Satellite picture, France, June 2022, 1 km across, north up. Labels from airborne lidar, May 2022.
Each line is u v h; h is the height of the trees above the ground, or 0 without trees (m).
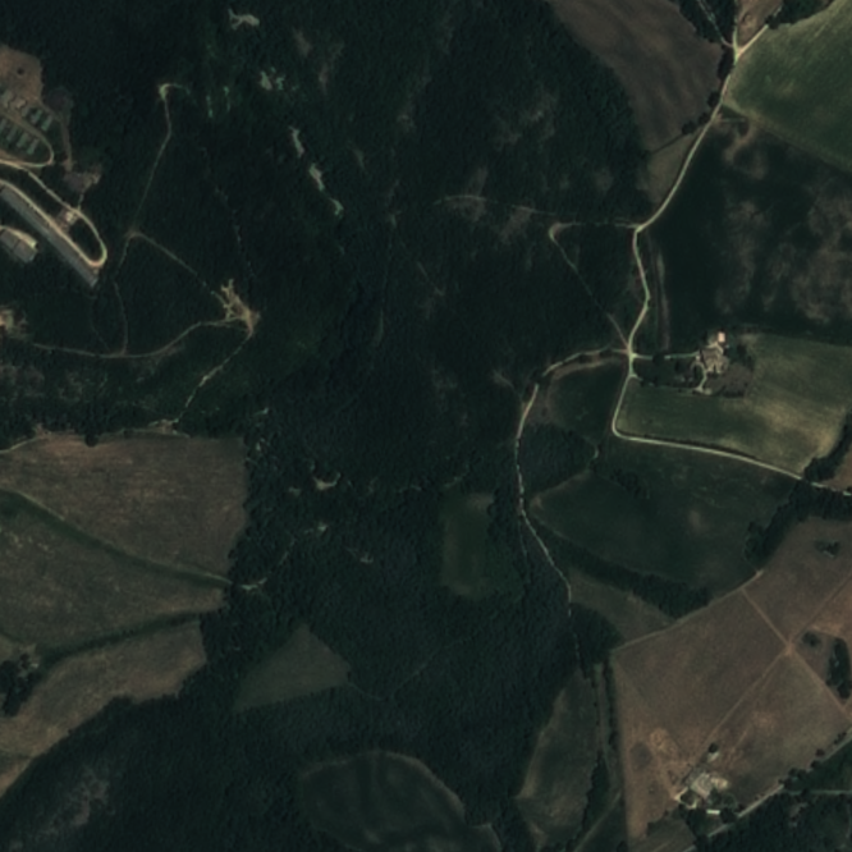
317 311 10
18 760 0
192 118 12
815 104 0
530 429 6
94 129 7
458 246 6
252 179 10
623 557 0
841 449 13
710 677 0
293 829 14
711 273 0
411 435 6
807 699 0
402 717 7
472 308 7
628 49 0
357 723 9
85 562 0
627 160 12
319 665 0
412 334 7
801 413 0
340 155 5
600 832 0
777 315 0
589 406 0
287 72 5
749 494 0
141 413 9
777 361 0
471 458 11
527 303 8
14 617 0
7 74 0
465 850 0
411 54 10
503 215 6
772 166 0
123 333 6
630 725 0
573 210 6
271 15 7
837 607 0
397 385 7
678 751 0
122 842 9
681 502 0
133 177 8
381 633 7
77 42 9
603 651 10
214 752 10
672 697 0
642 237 9
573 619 8
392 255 6
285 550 8
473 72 8
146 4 11
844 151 0
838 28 0
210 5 19
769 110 0
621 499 0
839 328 0
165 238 7
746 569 0
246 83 13
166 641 0
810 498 15
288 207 9
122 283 7
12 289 8
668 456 0
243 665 13
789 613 0
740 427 0
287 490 15
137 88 17
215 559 0
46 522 0
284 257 12
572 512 0
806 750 0
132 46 13
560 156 7
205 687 12
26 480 0
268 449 7
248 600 9
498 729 11
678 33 0
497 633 6
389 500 10
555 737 0
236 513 0
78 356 7
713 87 0
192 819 7
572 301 8
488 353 8
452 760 11
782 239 0
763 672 0
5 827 7
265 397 13
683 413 0
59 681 0
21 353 12
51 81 10
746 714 0
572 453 9
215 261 7
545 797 0
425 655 9
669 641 0
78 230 8
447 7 8
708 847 10
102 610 0
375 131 12
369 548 12
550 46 7
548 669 9
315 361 9
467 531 0
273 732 10
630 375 0
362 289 6
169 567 0
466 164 6
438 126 10
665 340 0
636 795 0
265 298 7
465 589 0
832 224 0
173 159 6
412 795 0
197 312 11
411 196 10
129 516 0
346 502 12
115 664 0
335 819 0
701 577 0
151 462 0
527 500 10
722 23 14
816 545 0
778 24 13
